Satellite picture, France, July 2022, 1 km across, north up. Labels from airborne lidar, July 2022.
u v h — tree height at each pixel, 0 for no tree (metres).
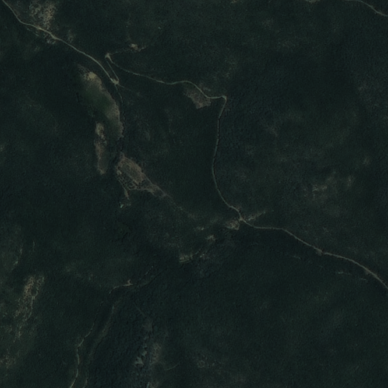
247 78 9
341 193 6
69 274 7
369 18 7
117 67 6
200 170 8
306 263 8
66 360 11
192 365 7
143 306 7
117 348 6
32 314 6
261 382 5
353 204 7
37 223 8
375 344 8
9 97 6
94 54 7
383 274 8
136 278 9
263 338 7
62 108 6
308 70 7
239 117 7
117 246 15
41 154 14
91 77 0
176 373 6
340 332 8
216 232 7
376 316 7
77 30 5
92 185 14
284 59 10
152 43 7
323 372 7
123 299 5
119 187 8
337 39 9
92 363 8
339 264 6
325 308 8
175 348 7
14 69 7
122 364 8
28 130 12
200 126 8
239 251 8
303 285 8
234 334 6
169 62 12
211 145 7
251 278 8
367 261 6
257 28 7
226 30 6
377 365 7
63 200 12
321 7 7
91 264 7
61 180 10
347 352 6
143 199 7
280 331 7
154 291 8
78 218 8
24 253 6
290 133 6
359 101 7
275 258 7
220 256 6
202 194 8
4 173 10
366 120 7
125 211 8
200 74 9
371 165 8
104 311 8
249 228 9
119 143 6
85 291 12
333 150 7
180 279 10
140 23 7
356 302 8
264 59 7
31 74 9
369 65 5
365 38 7
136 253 13
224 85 7
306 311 6
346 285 7
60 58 12
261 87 7
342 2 8
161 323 7
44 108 6
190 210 6
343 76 10
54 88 9
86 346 7
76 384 6
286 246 11
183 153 7
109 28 6
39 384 7
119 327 6
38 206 7
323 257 7
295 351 6
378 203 8
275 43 6
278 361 6
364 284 5
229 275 9
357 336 9
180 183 8
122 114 8
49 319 8
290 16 9
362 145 6
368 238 6
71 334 7
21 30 6
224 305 9
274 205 6
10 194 6
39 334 10
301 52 6
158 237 6
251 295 7
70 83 11
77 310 12
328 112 8
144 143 5
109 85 7
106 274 6
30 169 10
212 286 8
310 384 7
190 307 7
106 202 12
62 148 6
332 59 8
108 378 7
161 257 12
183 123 8
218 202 9
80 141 7
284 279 7
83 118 10
